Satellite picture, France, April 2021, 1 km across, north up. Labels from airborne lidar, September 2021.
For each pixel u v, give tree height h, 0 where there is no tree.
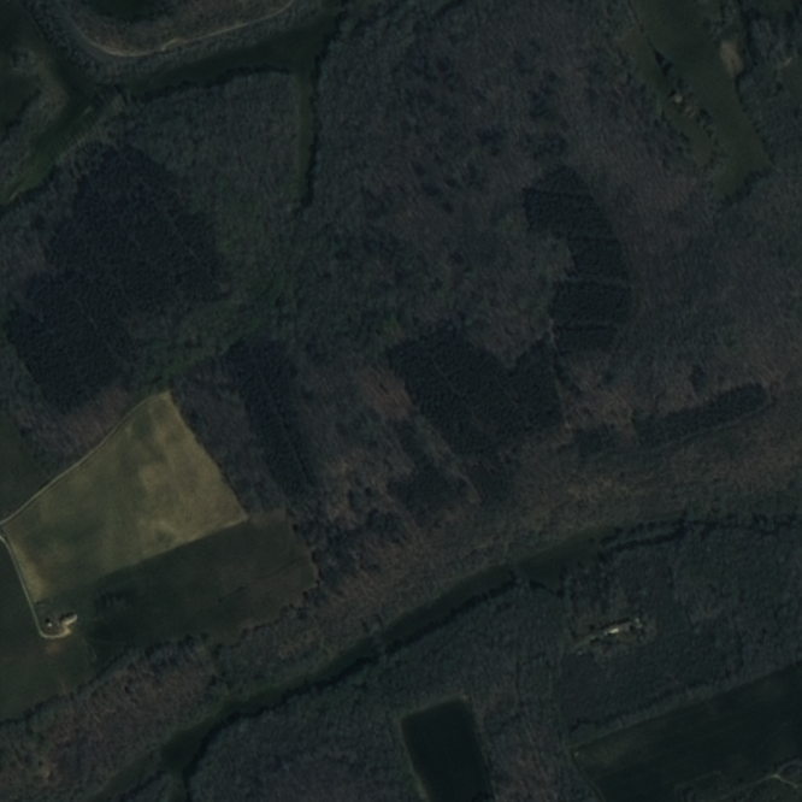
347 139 12
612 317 19
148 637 0
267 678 21
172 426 0
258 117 12
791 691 0
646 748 0
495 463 18
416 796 19
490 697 12
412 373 23
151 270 19
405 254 27
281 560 0
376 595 13
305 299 21
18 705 0
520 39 16
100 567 0
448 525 12
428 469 18
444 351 21
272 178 16
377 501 16
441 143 17
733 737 0
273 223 20
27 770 17
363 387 20
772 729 0
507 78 16
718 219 18
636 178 16
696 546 24
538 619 16
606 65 16
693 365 14
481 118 19
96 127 23
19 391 16
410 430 16
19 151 19
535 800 17
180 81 0
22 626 0
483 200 17
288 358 22
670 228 14
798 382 16
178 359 22
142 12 0
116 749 17
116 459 0
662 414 15
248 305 17
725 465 11
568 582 13
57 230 17
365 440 25
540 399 20
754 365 14
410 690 12
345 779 16
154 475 0
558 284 14
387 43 14
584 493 12
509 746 18
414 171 14
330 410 20
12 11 0
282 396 21
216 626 0
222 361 15
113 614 0
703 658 7
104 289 19
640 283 12
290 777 15
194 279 20
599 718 7
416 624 0
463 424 22
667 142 21
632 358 13
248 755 13
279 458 19
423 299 19
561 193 19
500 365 18
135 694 17
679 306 16
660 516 10
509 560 12
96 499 0
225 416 21
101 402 19
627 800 0
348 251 15
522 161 16
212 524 0
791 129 17
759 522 6
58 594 0
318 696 18
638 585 11
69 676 0
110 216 20
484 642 14
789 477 12
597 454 15
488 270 17
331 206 17
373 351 22
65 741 12
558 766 21
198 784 24
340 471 15
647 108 24
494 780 16
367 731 14
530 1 18
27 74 15
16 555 0
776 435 13
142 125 17
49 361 18
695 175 14
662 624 9
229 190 19
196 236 21
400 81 12
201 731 0
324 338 23
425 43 12
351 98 13
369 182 14
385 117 14
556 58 15
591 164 16
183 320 19
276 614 0
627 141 18
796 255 17
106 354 20
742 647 15
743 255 13
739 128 0
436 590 23
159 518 0
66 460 13
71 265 20
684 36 0
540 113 22
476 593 0
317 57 0
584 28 16
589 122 19
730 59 0
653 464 7
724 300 19
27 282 17
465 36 16
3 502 0
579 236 19
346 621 14
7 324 13
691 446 15
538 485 14
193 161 24
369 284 23
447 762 0
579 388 19
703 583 17
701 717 0
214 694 20
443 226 16
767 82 19
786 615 22
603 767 0
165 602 0
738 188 0
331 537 17
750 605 16
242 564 0
